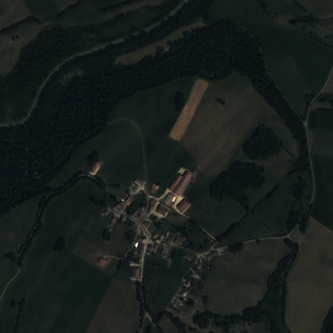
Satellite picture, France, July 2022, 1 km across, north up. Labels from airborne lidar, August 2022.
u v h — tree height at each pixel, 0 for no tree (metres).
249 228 0
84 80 7
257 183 20
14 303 13
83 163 0
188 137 0
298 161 9
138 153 0
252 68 18
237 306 0
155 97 0
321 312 0
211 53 25
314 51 0
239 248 19
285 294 7
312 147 0
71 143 30
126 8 0
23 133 0
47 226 0
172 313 13
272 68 0
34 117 27
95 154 17
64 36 7
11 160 36
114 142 0
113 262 0
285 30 0
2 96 6
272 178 0
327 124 0
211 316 16
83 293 0
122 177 0
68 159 9
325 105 0
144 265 0
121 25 0
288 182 0
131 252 11
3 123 0
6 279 0
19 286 0
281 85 0
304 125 8
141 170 0
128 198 0
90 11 0
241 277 0
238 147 0
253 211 14
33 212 0
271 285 9
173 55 22
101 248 0
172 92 0
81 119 34
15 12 0
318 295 0
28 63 7
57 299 0
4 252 0
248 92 0
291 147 0
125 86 16
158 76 25
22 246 6
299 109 0
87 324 0
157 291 0
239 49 27
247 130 0
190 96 0
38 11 0
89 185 0
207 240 8
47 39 9
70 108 23
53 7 0
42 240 0
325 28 0
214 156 0
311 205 10
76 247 0
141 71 12
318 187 0
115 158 0
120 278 0
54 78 29
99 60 25
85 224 0
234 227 17
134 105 0
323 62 0
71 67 27
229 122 0
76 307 0
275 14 10
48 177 12
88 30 10
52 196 11
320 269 0
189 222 6
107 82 8
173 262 0
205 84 0
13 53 0
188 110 0
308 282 0
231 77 0
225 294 0
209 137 0
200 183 0
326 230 0
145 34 30
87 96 14
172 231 9
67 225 0
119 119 0
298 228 0
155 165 0
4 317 0
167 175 0
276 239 0
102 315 0
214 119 0
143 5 0
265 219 0
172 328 0
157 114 0
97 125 25
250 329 0
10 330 0
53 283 0
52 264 0
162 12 10
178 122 0
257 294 0
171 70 21
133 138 0
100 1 0
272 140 14
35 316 0
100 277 0
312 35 9
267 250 0
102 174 0
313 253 0
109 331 0
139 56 0
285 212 0
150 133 0
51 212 0
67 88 6
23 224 0
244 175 20
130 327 0
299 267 0
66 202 0
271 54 0
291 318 0
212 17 0
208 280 0
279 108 15
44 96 30
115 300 0
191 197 0
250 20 0
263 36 0
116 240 0
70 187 15
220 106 0
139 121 0
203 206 0
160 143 0
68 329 0
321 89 0
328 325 10
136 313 0
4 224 0
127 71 15
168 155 0
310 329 0
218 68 23
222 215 0
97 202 19
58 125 15
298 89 0
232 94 0
